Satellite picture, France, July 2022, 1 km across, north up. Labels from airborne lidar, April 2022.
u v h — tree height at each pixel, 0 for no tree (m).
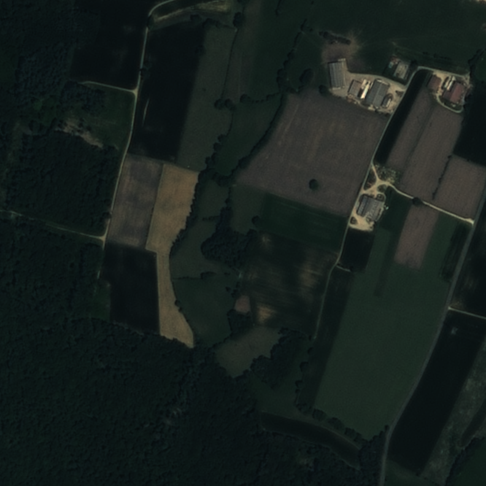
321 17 0
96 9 0
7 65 0
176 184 0
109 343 25
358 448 0
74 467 18
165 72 0
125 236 0
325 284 0
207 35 0
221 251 25
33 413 24
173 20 0
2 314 21
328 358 0
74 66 0
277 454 25
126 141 0
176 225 0
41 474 25
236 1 0
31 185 27
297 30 0
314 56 0
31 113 6
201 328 0
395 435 0
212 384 26
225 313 0
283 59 0
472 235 0
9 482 25
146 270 0
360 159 0
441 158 0
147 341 24
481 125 0
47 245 24
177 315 0
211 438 27
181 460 26
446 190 0
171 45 0
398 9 0
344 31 0
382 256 0
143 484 20
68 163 29
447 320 0
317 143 0
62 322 16
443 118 0
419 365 0
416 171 0
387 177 0
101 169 8
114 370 27
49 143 25
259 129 0
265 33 0
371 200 0
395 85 0
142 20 0
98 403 29
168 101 0
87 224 20
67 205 19
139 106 0
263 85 0
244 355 0
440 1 0
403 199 0
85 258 20
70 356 24
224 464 27
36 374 26
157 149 0
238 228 0
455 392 0
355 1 0
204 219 7
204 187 13
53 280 18
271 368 20
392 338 0
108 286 0
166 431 23
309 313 0
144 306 0
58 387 23
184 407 25
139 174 0
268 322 0
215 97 0
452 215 0
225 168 0
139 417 22
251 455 29
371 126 0
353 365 0
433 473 0
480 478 0
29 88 25
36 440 22
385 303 0
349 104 0
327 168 0
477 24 0
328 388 0
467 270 0
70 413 21
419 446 0
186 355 7
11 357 20
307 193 0
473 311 0
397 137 0
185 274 0
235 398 25
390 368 0
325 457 20
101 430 21
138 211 0
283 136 0
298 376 0
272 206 0
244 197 0
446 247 0
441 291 0
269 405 0
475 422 0
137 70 0
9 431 24
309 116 0
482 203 0
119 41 0
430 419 0
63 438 22
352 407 0
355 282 0
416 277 0
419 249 0
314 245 0
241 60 0
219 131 0
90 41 17
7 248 25
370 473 23
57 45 29
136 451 22
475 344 0
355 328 0
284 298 0
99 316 0
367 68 0
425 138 0
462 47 0
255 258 0
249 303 0
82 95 31
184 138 0
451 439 0
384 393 0
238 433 28
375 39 0
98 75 0
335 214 0
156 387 24
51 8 16
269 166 0
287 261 0
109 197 14
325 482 30
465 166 0
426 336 0
